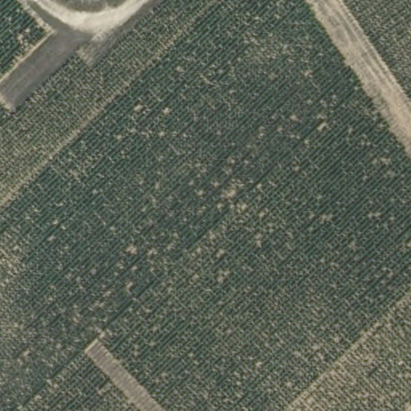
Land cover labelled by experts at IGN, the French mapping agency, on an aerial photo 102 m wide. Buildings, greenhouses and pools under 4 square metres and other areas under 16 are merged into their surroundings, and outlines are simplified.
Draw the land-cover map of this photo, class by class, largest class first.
<instances>
[{"label":"vineyard","instance_id":"1","mask_svg":"<svg viewBox=\"0 0 411 411\"><path fill-rule=\"evenodd\" d=\"M55 34V29L48 22L42 18L34 21L22 10L19 0H0V85L10 77L14 69H18L26 59L31 58L35 50L42 47V43L50 35ZM143 6L140 10L111 31L116 40L111 47L101 53L95 63L87 64L79 55L69 53L63 63L53 71L43 72L39 79L32 82L14 106L0 92V411H411V159L406 154L403 143L398 141L397 135L390 132L389 122L374 106L371 96L364 92L363 83L358 79V75L353 72L352 67L345 64L344 55L332 43L323 24L316 19L310 8V0H141ZM348 10L352 11L356 21L360 22L364 34L368 35L372 45L389 66L393 77L411 100V0H344Z\"/></svg>","mask_w":411,"mask_h":411},{"label":"pervious surface","instance_id":"2","mask_svg":"<svg viewBox=\"0 0 411 411\"><path fill-rule=\"evenodd\" d=\"M39 6L42 10L48 11L51 16L75 29L92 32L93 40H104V34L111 31L140 10L143 6L141 0H122L117 6H112L109 2L104 10L96 13H83L69 10L59 0H40ZM310 8L316 19L323 24L332 43L344 55L345 64L352 67L353 72L358 75V79L363 83L364 92L371 96L374 106L389 122L390 132L397 135L398 141L403 143L406 154L411 159V100L393 77L389 66L372 45L368 35L364 34L360 22L356 21L352 11L348 10L344 0H310Z\"/></svg>","mask_w":411,"mask_h":411},{"label":"herbaceous vegetation","instance_id":"3","mask_svg":"<svg viewBox=\"0 0 411 411\"><path fill-rule=\"evenodd\" d=\"M22 10L34 21L42 18L48 22L55 29V34L50 35L42 43V47L35 50L31 58L26 59L18 69H14L10 77L0 85V92L14 106L32 82L39 79L43 72L53 71L63 63L69 53L79 55L87 64L95 63L101 53L111 47L116 40L111 31L104 34V40H93L92 32L75 29L51 16L48 11L42 10L39 6L40 0H19ZM69 10L83 13H96L104 10L109 2L112 6H117L122 0H59Z\"/></svg>","mask_w":411,"mask_h":411}]
</instances>
